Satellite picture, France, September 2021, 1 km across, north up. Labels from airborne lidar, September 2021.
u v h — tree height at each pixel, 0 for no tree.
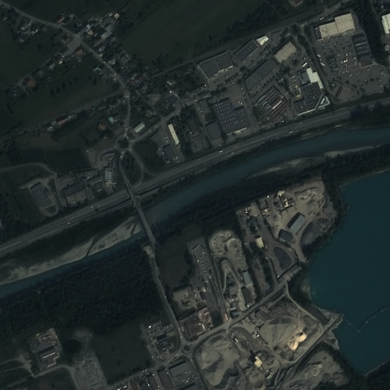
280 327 0
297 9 0
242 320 0
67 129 13
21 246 0
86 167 6
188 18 0
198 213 16
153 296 16
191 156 21
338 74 0
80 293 20
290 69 10
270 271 9
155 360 0
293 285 16
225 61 0
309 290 0
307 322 0
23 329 15
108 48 6
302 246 0
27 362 0
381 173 0
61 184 0
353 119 17
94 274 16
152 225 0
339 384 0
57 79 0
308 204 0
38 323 24
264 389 0
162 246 25
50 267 0
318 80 0
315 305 0
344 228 0
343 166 14
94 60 0
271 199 0
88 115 12
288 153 0
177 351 0
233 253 0
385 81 0
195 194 0
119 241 0
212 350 0
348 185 0
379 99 0
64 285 17
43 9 0
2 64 0
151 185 0
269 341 0
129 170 11
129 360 0
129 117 0
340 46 0
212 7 0
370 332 0
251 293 0
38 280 0
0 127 0
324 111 0
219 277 0
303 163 0
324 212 0
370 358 0
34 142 0
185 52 0
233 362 0
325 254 0
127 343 0
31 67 0
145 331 0
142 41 0
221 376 0
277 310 0
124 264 20
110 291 20
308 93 0
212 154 0
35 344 0
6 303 12
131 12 0
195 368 0
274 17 19
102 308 15
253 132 0
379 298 0
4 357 0
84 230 10
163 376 0
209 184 0
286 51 0
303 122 0
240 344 0
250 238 0
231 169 0
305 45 10
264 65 0
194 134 0
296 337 0
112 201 0
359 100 0
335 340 0
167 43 0
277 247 0
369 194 0
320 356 0
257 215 0
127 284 18
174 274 0
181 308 0
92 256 0
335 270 0
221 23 0
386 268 0
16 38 15
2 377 0
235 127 0
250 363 0
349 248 0
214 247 0
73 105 0
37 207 0
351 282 0
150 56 0
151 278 21
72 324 10
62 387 0
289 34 0
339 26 0
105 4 0
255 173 0
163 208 0
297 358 0
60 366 0
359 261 0
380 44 17
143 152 0
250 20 16
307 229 0
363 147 0
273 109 0
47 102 0
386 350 0
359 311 0
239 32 20
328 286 0
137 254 23
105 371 0
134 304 14
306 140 0
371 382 12
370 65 0
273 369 0
